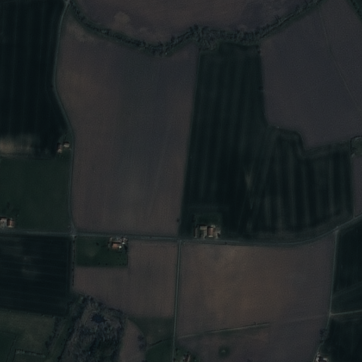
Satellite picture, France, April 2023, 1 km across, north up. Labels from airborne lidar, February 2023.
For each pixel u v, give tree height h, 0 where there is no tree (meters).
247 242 0
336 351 0
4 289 0
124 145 0
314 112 0
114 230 0
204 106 0
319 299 0
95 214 0
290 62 0
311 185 0
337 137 0
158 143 0
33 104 0
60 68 0
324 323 0
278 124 0
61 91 0
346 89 0
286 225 0
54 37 0
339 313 0
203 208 0
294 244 0
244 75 0
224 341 0
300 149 0
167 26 0
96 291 0
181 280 0
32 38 0
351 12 0
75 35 0
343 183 0
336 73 0
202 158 0
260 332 0
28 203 0
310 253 0
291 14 7
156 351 0
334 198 0
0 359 0
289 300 0
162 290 0
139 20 0
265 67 0
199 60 0
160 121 0
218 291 0
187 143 0
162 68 0
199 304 0
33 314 0
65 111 0
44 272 0
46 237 0
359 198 0
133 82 0
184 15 0
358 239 0
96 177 0
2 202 0
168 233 0
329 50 0
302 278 0
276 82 0
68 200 0
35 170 0
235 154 0
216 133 0
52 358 0
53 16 0
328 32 0
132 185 0
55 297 0
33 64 0
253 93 0
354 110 0
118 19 0
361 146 0
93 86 0
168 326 0
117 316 13
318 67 0
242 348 0
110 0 0
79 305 0
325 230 0
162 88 0
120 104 0
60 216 0
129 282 0
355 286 0
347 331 0
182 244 0
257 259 0
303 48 0
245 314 0
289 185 0
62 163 0
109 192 0
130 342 0
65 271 0
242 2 0
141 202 0
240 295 0
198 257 0
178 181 0
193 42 0
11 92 0
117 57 0
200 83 0
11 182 0
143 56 0
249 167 0
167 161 0
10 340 0
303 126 0
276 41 0
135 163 0
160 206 0
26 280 0
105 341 8
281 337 0
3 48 0
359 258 0
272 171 0
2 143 0
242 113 0
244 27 0
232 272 0
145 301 0
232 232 0
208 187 0
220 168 0
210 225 0
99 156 0
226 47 0
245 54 0
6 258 0
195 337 0
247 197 0
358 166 0
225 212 0
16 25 0
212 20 0
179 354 0
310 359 0
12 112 0
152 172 0
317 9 0
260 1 0
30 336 0
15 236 0
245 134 0
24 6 0
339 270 0
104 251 0
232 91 0
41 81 0
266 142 0
